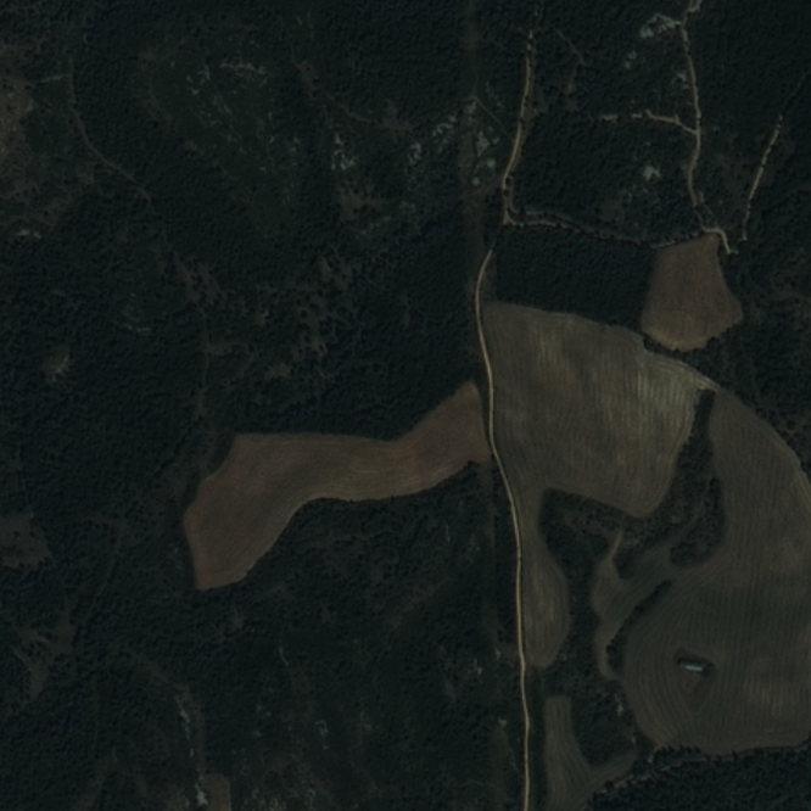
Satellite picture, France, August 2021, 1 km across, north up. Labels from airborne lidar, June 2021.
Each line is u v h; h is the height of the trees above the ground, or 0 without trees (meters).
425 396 14
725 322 0
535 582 0
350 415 8
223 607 10
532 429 0
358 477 0
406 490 0
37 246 12
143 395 8
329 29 8
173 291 6
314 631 7
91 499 8
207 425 7
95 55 8
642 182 7
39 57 8
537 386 0
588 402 0
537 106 7
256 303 6
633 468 0
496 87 8
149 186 7
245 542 0
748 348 10
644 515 0
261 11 12
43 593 10
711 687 0
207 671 7
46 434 11
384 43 9
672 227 11
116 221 10
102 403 8
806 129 13
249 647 6
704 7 9
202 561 0
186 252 10
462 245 9
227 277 6
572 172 10
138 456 7
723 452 0
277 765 0
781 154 6
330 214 10
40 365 6
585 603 6
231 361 7
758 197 7
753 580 0
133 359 8
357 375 12
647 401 0
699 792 11
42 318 7
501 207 7
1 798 6
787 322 13
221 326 8
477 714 7
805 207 8
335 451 0
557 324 0
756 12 15
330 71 8
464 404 0
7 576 6
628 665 0
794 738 0
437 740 8
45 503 10
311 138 6
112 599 8
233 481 0
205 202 7
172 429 10
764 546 0
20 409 8
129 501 9
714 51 9
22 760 8
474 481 9
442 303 9
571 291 8
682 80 6
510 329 0
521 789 9
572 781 0
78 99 6
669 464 0
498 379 0
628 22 8
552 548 10
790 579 0
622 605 0
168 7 10
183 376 10
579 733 6
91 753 9
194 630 9
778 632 0
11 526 0
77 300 11
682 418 0
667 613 0
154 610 6
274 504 0
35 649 8
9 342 7
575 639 8
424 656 9
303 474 0
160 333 8
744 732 0
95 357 10
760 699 0
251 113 0
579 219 10
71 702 11
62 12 9
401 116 6
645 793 8
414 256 14
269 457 0
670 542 0
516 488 0
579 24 9
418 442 0
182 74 0
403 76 9
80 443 7
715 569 0
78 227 13
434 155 7
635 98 6
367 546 6
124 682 8
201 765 0
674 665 0
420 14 12
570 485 0
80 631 8
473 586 6
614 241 7
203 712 7
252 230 7
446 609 8
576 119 9
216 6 11
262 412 12
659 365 0
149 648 8
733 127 11
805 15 16
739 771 11
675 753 11
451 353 10
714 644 0
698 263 0
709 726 0
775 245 6
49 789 7
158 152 7
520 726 7
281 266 7
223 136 0
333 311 12
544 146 10
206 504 0
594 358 0
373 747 6
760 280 13
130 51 7
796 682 0
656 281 0
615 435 0
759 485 0
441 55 8
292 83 9
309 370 8
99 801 5
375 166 7
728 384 6
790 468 0
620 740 6
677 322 0
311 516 7
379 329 9
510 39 9
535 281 9
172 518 6
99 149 6
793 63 11
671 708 0
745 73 10
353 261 10
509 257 7
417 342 9
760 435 0
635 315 8
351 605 7
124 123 7
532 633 0
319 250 11
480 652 6
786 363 10
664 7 6
